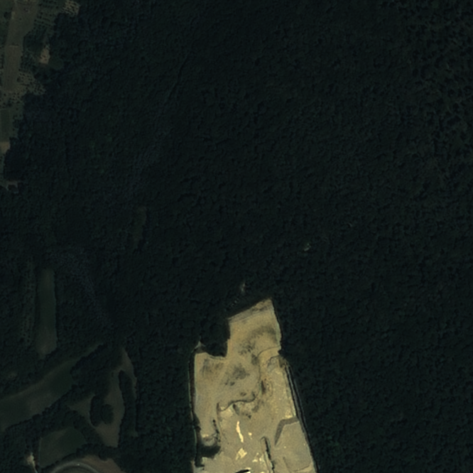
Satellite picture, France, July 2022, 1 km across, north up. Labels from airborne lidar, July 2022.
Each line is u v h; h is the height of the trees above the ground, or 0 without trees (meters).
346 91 20
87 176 20
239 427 0
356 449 7
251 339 0
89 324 16
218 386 0
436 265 25
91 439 18
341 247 22
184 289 30
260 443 0
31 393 0
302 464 0
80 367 19
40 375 13
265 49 19
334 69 24
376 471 19
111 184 9
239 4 18
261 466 0
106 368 23
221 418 0
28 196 17
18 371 7
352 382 20
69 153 22
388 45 28
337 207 18
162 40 14
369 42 18
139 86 15
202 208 24
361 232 19
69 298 17
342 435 18
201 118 16
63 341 15
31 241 24
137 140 17
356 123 16
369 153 23
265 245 24
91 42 13
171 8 18
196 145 21
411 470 20
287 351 22
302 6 23
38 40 6
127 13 24
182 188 21
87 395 18
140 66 16
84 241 16
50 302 0
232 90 26
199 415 0
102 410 16
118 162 17
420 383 19
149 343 24
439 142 25
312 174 15
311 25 17
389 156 25
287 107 21
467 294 20
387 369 21
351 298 21
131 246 21
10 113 0
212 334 21
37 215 15
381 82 19
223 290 27
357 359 21
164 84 14
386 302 19
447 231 24
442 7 7
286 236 22
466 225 25
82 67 25
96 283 17
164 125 19
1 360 18
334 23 22
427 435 19
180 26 16
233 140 21
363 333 20
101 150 18
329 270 18
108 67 22
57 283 16
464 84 24
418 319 21
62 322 17
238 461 0
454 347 22
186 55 15
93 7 12
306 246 18
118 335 23
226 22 19
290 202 19
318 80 24
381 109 20
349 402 22
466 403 17
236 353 0
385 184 22
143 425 25
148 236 21
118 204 16
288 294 22
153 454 20
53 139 20
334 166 18
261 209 21
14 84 0
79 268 21
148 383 17
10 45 0
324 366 19
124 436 12
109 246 15
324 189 20
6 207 11
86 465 0
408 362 17
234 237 23
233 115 18
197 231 21
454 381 18
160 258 22
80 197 8
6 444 10
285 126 22
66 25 16
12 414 0
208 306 24
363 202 17
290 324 20
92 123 22
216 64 19
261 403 0
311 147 19
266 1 22
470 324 19
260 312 0
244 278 22
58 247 19
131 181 16
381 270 24
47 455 0
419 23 23
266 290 19
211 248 26
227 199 22
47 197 23
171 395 23
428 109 28
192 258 22
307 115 19
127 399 12
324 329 17
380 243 21
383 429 19
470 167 15
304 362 20
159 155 18
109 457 10
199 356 0
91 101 25
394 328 19
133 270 19
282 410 0
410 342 21
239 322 0
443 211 22
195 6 11
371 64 28
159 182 18
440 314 23
